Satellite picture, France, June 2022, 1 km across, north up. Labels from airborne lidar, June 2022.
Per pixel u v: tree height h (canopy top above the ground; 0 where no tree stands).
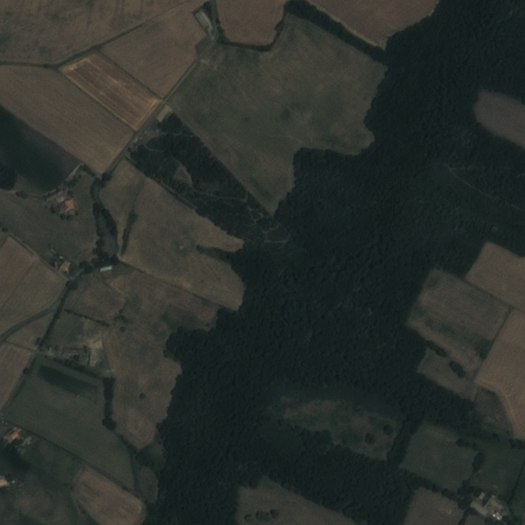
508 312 0
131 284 0
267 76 0
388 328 18
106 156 0
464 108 19
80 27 0
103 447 0
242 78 0
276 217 12
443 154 18
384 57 14
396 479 12
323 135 0
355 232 20
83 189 0
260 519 8
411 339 17
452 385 0
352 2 0
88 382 0
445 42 16
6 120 0
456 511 0
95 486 0
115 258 9
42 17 0
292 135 0
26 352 0
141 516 0
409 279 14
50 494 0
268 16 0
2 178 15
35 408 0
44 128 0
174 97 0
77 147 0
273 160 0
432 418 6
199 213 13
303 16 9
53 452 0
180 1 0
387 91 12
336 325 19
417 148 15
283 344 22
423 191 7
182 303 0
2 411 0
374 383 14
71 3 0
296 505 0
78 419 0
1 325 0
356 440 0
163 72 0
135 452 10
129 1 0
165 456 8
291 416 0
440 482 0
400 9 0
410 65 15
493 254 0
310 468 15
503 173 5
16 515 0
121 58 0
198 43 0
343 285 20
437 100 19
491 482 0
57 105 0
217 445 18
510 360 0
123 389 0
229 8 0
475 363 0
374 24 0
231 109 0
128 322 7
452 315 0
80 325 0
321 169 19
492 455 0
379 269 20
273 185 0
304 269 7
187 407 8
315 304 12
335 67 0
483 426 0
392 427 8
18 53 0
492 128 0
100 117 0
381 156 11
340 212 17
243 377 21
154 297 0
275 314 21
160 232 0
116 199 0
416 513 0
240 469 19
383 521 18
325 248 17
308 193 12
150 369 0
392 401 20
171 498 20
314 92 0
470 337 0
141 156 7
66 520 0
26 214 0
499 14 27
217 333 13
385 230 7
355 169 13
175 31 0
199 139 11
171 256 0
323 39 0
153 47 0
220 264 0
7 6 0
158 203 0
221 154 0
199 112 0
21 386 0
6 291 0
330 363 18
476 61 28
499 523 8
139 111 0
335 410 0
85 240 0
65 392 0
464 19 26
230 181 7
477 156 17
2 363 0
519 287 0
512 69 28
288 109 0
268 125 0
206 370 16
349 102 0
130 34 0
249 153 0
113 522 0
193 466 12
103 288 0
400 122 15
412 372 15
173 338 17
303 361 14
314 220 16
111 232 11
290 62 0
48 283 0
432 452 0
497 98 0
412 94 15
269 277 21
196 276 0
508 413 0
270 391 12
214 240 0
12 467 0
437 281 0
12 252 0
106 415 6
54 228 0
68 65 0
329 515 0
